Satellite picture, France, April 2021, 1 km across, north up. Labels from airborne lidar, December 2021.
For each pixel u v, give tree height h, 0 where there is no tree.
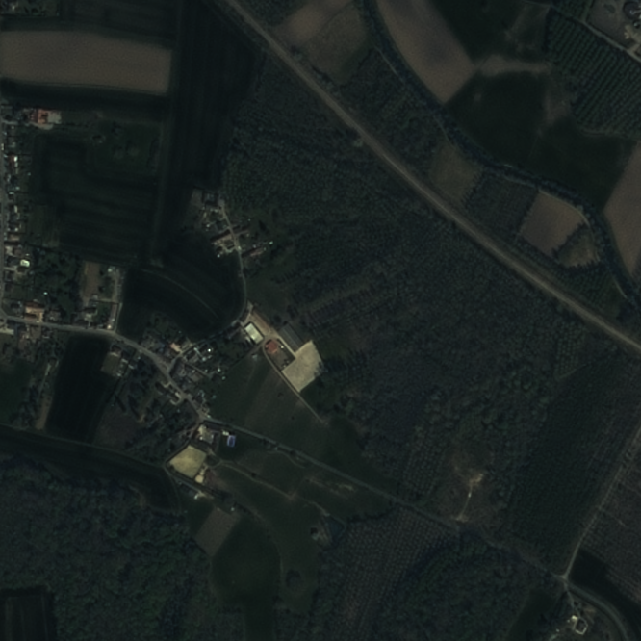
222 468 0
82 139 0
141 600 25
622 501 9
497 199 9
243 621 14
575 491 16
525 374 17
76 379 0
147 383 8
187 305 0
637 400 6
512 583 26
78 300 20
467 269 33
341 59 0
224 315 0
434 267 23
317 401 0
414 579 22
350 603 15
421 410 21
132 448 14
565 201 8
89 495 12
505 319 28
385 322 21
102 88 0
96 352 0
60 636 8
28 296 0
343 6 0
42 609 0
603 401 14
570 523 15
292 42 0
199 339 0
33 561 19
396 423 19
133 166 0
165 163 0
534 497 21
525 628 0
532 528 16
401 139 10
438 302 23
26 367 0
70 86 0
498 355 8
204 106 0
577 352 16
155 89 0
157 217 0
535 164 0
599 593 0
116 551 26
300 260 13
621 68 20
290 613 9
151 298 0
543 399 22
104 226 0
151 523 18
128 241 0
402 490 8
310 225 7
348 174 29
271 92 15
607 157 0
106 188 0
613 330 0
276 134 17
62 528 21
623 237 0
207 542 0
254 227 0
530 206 11
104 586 24
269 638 0
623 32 0
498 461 10
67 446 0
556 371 30
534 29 0
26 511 18
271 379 0
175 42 0
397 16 0
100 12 0
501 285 25
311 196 27
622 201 0
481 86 0
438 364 18
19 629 0
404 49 0
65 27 0
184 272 0
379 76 17
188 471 0
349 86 7
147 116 0
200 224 12
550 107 0
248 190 19
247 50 0
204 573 23
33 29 0
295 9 12
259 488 0
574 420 14
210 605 19
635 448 17
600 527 16
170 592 15
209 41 0
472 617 28
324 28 0
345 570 8
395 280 29
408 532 24
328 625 14
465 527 11
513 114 0
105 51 0
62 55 0
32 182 0
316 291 9
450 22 0
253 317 0
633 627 0
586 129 21
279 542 0
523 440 11
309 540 0
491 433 11
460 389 14
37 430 0
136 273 0
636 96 23
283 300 0
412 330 7
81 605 9
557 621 19
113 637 22
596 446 16
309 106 17
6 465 7
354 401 13
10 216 0
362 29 0
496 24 0
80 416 0
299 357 0
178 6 0
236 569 0
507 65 0
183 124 0
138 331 0
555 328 33
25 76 0
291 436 0
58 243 0
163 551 30
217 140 0
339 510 0
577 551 0
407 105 24
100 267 0
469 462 0
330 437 0
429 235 24
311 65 0
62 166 0
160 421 0
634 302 16
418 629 27
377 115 17
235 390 0
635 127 22
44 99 0
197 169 0
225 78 0
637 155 0
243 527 0
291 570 0
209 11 0
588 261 0
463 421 17
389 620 17
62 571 19
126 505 25
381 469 8
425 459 24
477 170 0
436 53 0
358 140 27
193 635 17
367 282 32
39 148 0
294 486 0
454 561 25
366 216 19
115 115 0
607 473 8
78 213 0
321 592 11
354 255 12
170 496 0
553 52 23
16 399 0
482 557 21
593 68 23
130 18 0
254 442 0
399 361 7
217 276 0
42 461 0
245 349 9
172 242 0
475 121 0
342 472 0
